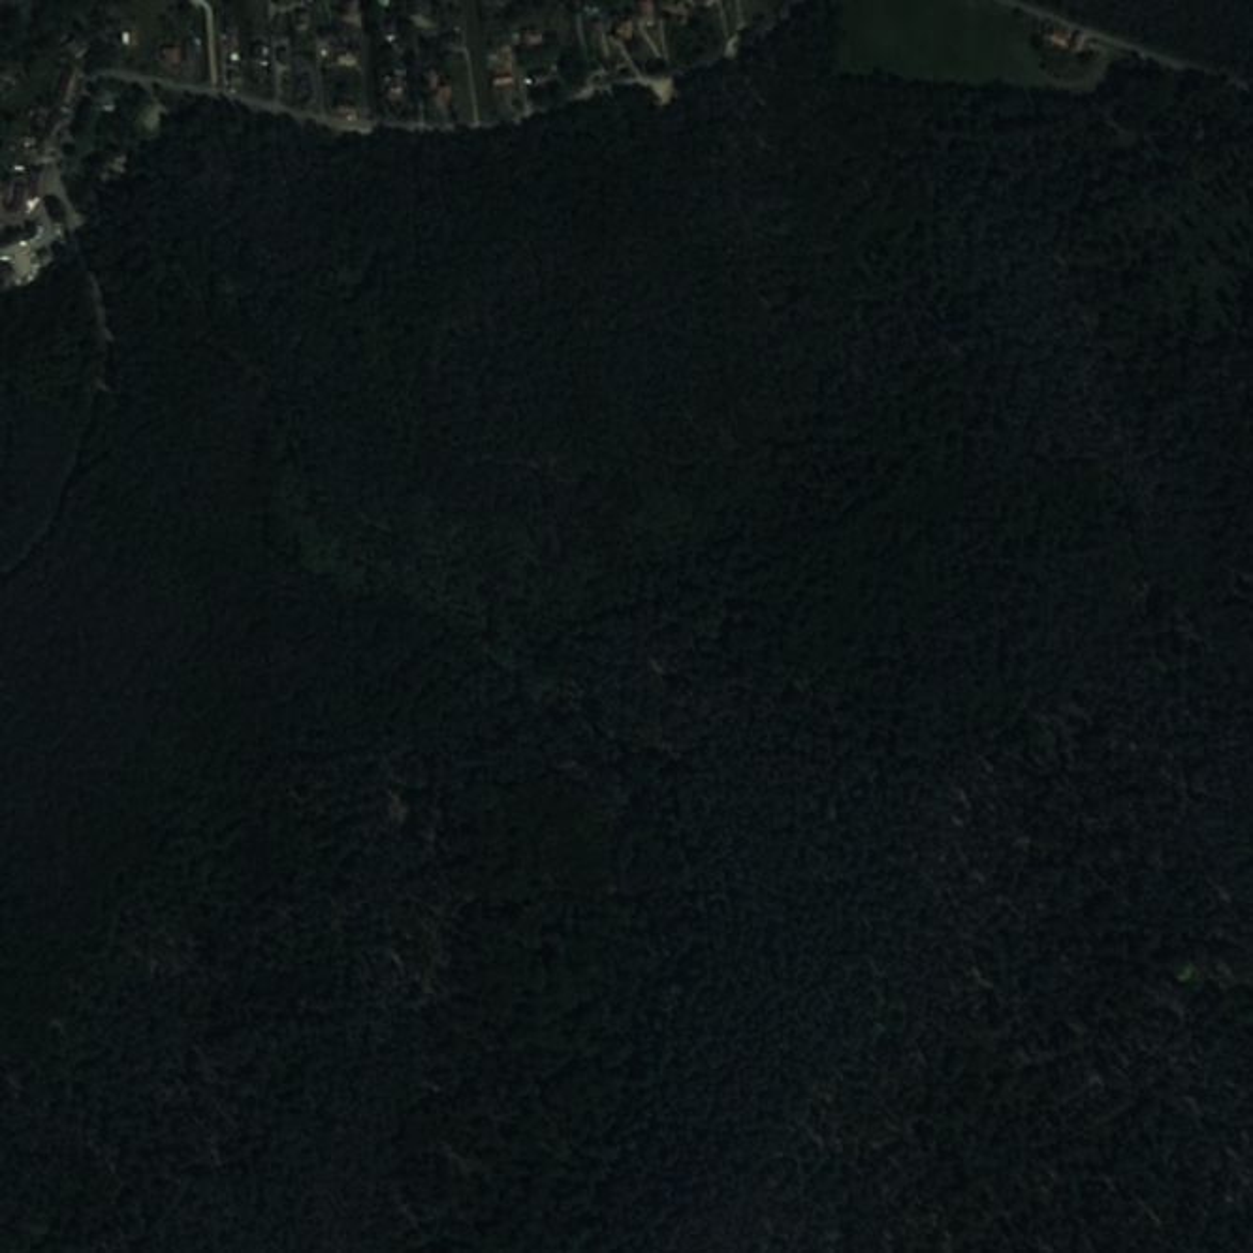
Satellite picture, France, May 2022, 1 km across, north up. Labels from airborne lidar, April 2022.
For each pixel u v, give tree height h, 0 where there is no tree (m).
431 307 14
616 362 19
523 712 32
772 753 13
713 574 22
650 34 0
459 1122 27
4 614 17
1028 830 27
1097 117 17
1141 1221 25
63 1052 19
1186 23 17
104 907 20
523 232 16
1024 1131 13
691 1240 26
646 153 18
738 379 16
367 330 15
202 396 16
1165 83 27
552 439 15
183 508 19
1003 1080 23
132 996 22
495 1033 24
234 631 16
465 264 17
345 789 12
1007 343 20
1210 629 21
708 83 16
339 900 27
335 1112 22
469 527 19
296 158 16
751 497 17
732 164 13
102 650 19
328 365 21
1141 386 12
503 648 25
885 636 12
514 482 18
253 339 16
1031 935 16
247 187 15
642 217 19
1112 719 18
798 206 18
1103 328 13
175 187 18
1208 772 24
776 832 14
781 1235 19
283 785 7
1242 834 25
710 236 16
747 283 15
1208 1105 26
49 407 17
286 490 23
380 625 23
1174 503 21
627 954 26
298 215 16
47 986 14
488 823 28
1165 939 28
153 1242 26
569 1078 31
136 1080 27
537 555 23
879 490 10
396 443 16
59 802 22
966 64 0
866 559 13
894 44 0
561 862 27
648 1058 29
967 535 19
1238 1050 28
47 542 15
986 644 16
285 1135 24
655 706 17
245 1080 29
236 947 9
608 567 19
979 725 21
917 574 14
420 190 19
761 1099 25
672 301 19
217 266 14
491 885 29
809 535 12
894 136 13
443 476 19
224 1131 27
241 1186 22
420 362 21
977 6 0
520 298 20
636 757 23
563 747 27
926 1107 17
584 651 22
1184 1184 25
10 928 18
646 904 28
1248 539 26
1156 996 30
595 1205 36
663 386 14
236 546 17
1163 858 28
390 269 16
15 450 17
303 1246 25
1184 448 12
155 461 16
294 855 14
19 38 9
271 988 8
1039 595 24
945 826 25
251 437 8
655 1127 31
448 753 39
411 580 25
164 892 19
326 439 16
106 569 18
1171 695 27
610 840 23
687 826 27
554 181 15
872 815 26
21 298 15
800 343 18
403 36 12
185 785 20
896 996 25
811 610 19
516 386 18
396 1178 24
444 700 26
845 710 19
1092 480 9
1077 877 26
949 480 9
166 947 25
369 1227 16
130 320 16
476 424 21
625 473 14
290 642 20
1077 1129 24
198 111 14
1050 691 24
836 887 19
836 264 14
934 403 17
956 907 31
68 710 19
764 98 14
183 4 9
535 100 13
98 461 20
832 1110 16
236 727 16
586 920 27
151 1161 33
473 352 20
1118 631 23
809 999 23
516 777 28
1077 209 12
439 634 21
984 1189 10
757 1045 26
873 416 12
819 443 15
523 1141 30
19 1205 23
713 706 26
